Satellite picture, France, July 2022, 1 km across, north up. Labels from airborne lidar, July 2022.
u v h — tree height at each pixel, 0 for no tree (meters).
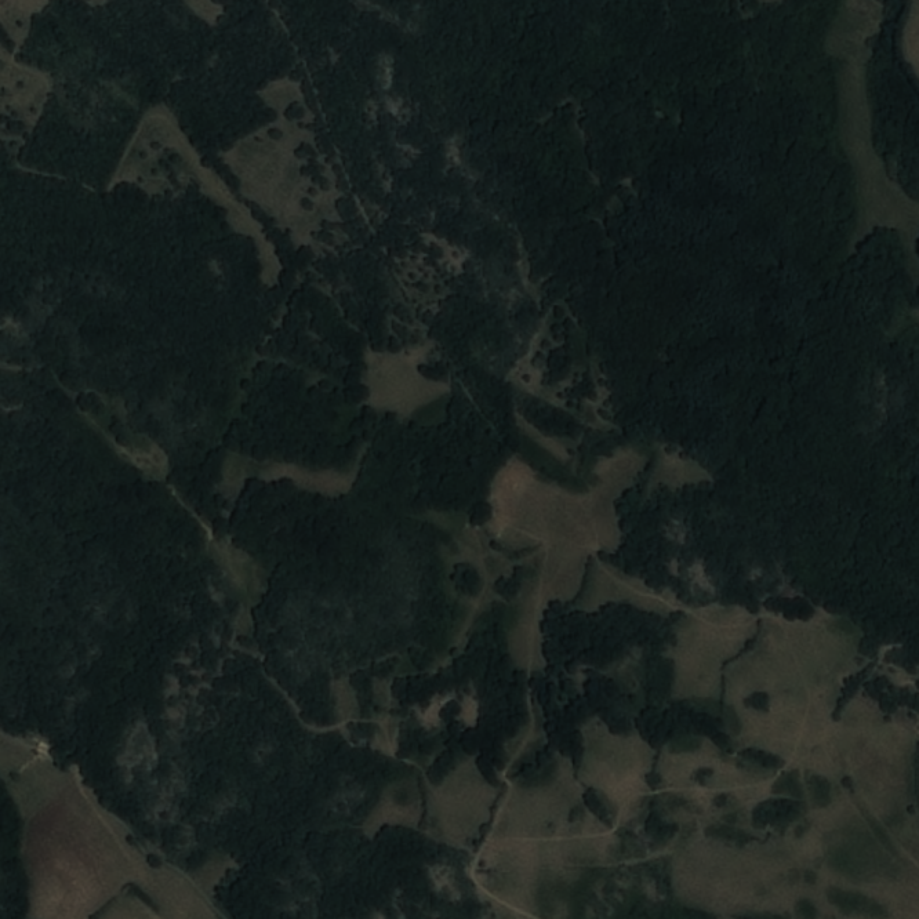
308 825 11
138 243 10
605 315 9
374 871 9
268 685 7
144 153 7
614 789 0
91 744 14
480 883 0
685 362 24
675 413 23
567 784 0
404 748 10
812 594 10
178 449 6
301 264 10
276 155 0
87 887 0
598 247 17
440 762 13
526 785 0
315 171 8
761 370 14
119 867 0
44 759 0
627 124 12
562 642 14
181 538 12
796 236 21
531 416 7
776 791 0
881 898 0
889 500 16
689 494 10
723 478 10
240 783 9
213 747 10
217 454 16
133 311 11
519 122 13
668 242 20
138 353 6
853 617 10
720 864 0
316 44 9
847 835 0
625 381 7
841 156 10
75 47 8
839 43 0
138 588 11
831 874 0
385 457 16
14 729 7
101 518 10
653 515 11
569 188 14
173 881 0
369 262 11
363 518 9
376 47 10
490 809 7
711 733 11
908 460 9
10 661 5
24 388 6
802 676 0
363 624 9
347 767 9
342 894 10
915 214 0
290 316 11
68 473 8
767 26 12
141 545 8
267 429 12
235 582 0
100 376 7
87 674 7
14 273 10
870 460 14
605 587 0
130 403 9
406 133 8
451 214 9
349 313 13
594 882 0
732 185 28
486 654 12
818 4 10
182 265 12
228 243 8
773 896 0
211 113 6
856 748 0
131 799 8
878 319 18
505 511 0
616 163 13
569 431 8
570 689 19
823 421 13
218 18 8
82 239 11
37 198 9
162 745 10
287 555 7
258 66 8
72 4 10
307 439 9
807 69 8
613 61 10
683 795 0
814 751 0
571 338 9
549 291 8
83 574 8
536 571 0
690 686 0
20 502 11
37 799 0
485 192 9
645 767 0
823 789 0
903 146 7
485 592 0
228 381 8
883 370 7
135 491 10
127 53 9
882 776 0
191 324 15
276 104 0
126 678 16
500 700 10
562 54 14
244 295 10
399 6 10
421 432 9
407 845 7
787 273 21
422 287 11
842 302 17
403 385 0
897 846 0
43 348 8
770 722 0
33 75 0
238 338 11
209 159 11
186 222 12
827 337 12
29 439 9
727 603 9
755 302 24
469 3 15
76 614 8
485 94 13
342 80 7
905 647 7
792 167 18
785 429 17
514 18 11
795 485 12
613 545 0
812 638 0
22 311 8
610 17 10
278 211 0
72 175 9
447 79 7
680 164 16
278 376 10
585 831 0
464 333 7
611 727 10
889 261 15
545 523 0
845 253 7
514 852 0
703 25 13
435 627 7
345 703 0
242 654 10
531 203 13
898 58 17
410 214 7
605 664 9
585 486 0
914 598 9
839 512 12
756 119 17
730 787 0
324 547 14
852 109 0
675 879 0
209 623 7
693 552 7
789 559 7
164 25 8
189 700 10
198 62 9
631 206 15
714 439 20
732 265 18
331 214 0
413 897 10
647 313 17
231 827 9
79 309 11
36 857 0
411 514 7
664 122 12
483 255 8
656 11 10
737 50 15
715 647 0
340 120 9
